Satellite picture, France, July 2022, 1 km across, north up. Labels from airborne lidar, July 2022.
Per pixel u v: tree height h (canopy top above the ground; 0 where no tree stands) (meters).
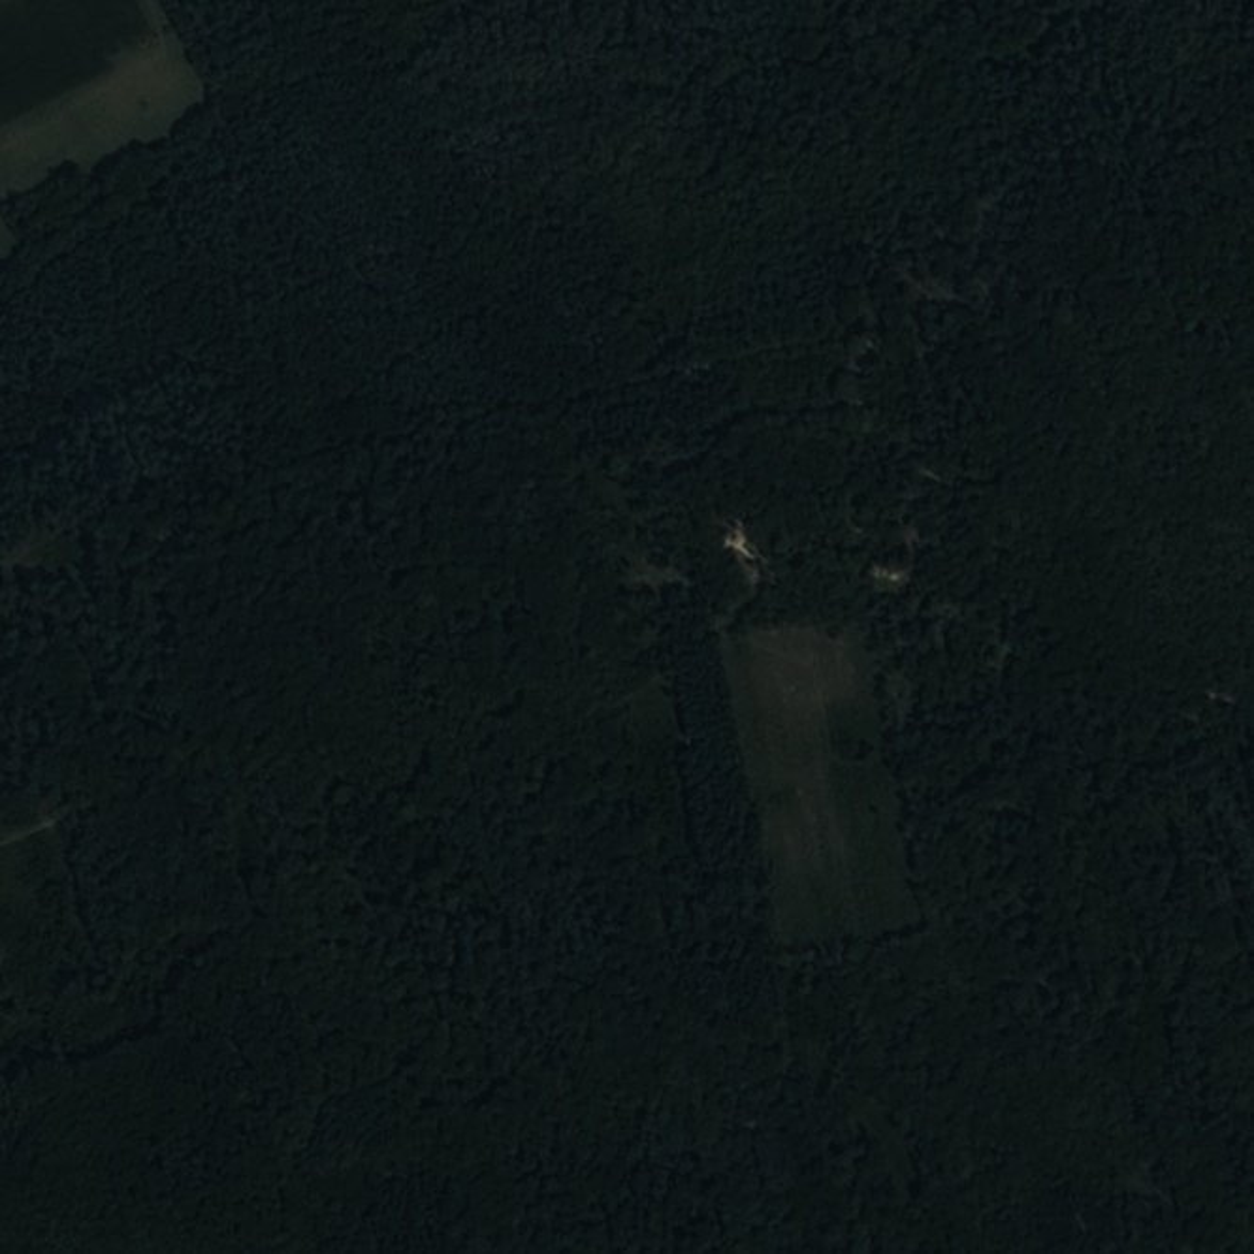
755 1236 22
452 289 22
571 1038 22
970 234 23
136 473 38
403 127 20
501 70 16
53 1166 21
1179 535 17
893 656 10
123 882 25
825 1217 22
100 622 26
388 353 20
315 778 21
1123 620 20
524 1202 20
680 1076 24
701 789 24
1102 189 26
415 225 21
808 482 21
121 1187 19
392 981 20
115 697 28
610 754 29
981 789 26
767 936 19
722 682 23
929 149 18
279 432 20
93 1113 21
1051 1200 23
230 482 18
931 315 23
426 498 24
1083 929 20
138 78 0
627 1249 19
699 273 8
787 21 22
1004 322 23
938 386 13
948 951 17
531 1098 19
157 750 22
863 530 21
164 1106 21
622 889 29
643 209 11
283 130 22
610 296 21
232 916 25
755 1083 24
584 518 26
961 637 22
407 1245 16
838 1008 10
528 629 24
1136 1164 17
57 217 14
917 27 9
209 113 18
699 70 21
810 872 0
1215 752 22
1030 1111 27
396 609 24
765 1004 22
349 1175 15
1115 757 22
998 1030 26
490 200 16
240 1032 23
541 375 21
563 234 20
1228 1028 24
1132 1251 20
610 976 23
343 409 22
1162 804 26
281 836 27
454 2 7
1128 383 19
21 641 27
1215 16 31
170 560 26
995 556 21
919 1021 19
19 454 24
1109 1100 24
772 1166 31
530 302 16
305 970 21
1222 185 23
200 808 25
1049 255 21
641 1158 20
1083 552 26
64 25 0
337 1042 18
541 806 22
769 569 16
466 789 26
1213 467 19
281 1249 14
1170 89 14
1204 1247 27
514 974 24
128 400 6
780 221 13
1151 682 22
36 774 22
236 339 16
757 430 23
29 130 0
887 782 0
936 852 23
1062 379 22
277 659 24
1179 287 21
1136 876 21
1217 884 30
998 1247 19
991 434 23
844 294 25
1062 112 7
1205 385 19
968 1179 21
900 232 20
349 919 24
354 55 24
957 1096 20
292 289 22
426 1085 26
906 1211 19
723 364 16
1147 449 20
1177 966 15
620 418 25
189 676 24
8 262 7
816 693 0
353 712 22
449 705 20
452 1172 17
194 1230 16
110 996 26
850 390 23
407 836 25
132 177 25
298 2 18
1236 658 21
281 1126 15
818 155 18
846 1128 21
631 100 23
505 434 20
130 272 19
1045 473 18
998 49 29
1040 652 13
